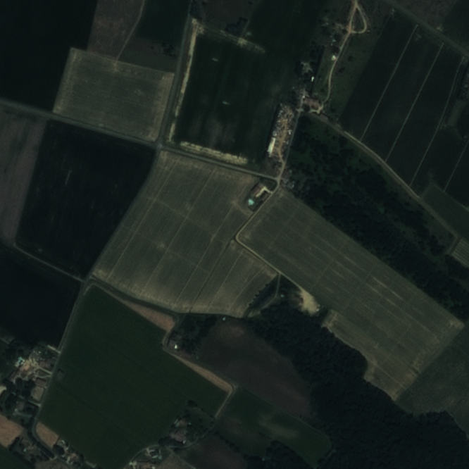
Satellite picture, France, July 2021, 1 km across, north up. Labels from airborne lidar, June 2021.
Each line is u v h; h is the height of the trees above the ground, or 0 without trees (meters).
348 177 7
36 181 0
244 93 0
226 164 0
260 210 0
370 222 13
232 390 0
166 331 0
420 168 0
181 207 0
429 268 13
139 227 0
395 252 10
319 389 17
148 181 0
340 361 18
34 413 7
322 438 0
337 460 18
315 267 0
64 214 0
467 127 0
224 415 0
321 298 0
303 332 13
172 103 0
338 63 0
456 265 12
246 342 0
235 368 0
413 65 0
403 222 11
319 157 12
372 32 0
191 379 0
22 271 0
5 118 0
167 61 0
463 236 0
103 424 0
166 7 0
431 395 0
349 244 0
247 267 0
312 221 0
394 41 0
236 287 0
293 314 13
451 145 0
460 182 0
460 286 13
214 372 0
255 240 0
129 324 0
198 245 0
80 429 0
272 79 0
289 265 0
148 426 0
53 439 0
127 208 0
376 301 0
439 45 0
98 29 0
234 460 0
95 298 0
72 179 0
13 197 0
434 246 12
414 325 0
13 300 0
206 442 0
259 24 0
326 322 0
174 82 0
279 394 0
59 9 0
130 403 0
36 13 0
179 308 0
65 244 0
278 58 0
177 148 0
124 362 0
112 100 0
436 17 0
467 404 0
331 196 10
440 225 0
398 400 0
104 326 0
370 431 22
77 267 0
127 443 0
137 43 0
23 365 0
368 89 0
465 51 0
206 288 0
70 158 0
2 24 0
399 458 25
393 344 0
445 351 0
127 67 0
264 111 0
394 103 0
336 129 0
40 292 0
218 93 0
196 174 0
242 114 0
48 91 0
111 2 0
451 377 0
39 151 0
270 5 0
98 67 0
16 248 0
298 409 0
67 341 0
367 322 0
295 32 0
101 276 0
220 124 0
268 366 0
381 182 9
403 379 0
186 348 8
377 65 0
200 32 0
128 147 0
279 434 0
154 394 0
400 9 0
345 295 0
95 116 0
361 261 0
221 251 0
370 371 0
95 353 0
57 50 0
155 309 0
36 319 0
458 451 32
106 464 0
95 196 0
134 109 0
